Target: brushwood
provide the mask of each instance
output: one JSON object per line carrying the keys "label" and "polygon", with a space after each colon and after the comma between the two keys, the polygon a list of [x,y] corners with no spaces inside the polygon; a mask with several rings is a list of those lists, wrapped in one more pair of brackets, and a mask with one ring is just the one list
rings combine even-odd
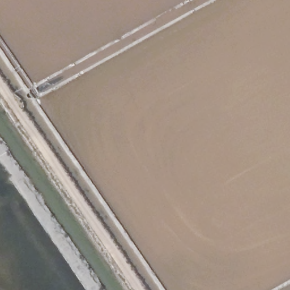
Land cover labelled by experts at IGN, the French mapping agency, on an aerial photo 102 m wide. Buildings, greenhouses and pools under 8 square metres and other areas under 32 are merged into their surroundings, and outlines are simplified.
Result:
{"label": "brushwood", "polygon": [[35,159],[48,174],[51,184],[58,190],[63,202],[68,205],[71,213],[101,253],[104,247],[101,239],[89,227],[85,215],[67,194],[62,182],[54,176],[53,169],[44,160],[32,138],[24,131],[15,111],[0,94],[0,105]]}

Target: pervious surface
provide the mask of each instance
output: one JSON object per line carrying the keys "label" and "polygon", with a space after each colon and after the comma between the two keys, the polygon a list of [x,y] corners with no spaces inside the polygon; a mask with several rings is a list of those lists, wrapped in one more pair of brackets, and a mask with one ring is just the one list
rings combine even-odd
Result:
{"label": "pervious surface", "polygon": [[101,290],[99,279],[88,270],[86,262],[80,259],[78,250],[51,216],[42,196],[36,193],[31,181],[8,155],[7,146],[0,144],[0,163],[9,172],[11,184],[24,197],[36,219],[48,232],[53,244],[57,246],[85,290]]}
{"label": "pervious surface", "polygon": [[104,247],[101,253],[125,290],[145,290],[110,234],[103,228],[74,182],[63,170],[57,157],[23,111],[23,103],[12,94],[0,76],[0,94],[15,111],[24,131],[32,138],[44,160],[53,169],[54,176],[62,182],[67,194],[85,215],[89,227],[101,239]]}
{"label": "pervious surface", "polygon": [[95,56],[96,53],[117,44],[119,40],[106,43],[83,58],[46,76],[40,82],[35,82],[0,31],[0,58],[16,79],[19,88],[23,93],[27,93],[27,97],[31,97],[31,102],[46,127],[57,139],[62,151],[75,165],[80,177],[91,189],[159,290],[164,290],[133,241],[103,201],[99,191],[46,118],[40,104],[42,96],[56,91],[85,72],[117,57],[118,54],[216,0],[207,0],[43,92],[37,87]]}

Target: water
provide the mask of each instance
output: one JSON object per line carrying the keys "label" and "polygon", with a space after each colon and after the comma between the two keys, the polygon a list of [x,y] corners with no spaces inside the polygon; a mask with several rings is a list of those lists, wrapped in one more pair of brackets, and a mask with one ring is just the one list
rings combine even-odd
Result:
{"label": "water", "polygon": [[24,197],[11,184],[9,172],[0,163],[0,290],[85,290],[57,246],[53,244],[48,232],[36,219]]}
{"label": "water", "polygon": [[145,290],[159,290],[91,189],[80,177],[75,165],[62,151],[57,139],[46,127],[31,102],[31,97],[27,97],[27,93],[23,93],[19,88],[16,79],[0,58],[0,76],[12,94],[23,103],[23,111],[57,157],[63,170],[74,182],[103,228],[110,234]]}
{"label": "water", "polygon": [[35,159],[0,105],[0,144],[7,146],[8,155],[31,181],[36,193],[42,196],[51,216],[78,250],[80,259],[86,262],[88,270],[99,279],[101,290],[125,290],[101,253],[71,213],[68,205],[63,202],[58,190],[51,184],[48,174]]}
{"label": "water", "polygon": [[164,290],[290,290],[290,0],[216,0],[118,54],[117,57],[85,72],[56,91],[42,96],[40,104],[46,118],[99,191],[103,201],[133,241]]}
{"label": "water", "polygon": [[0,31],[35,82],[40,82],[46,76],[83,58],[106,43],[119,40],[117,44],[96,53],[95,56],[37,87],[43,92],[207,0],[0,0]]}

